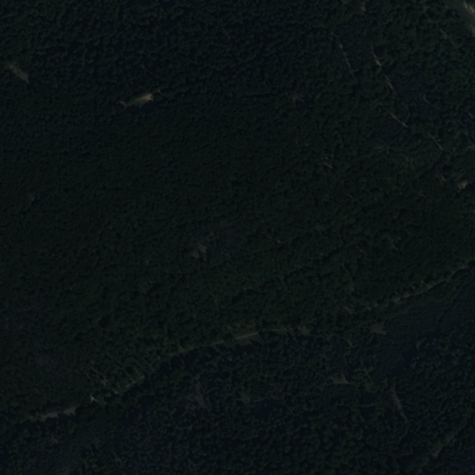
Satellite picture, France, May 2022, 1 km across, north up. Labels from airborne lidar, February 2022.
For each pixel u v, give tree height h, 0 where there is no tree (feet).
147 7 87
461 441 23
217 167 77
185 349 92
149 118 92
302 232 77
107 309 93
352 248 105
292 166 84
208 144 71
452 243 87
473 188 91
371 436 131
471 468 94
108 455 29
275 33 107
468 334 47
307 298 98
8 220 71
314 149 98
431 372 95
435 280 96
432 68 99
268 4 106
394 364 26
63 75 103
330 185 80
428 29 81
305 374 79
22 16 83
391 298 82
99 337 89
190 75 107
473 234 82
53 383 80
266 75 104
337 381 0
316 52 48
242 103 90
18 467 86
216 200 76
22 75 0
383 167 76
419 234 93
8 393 81
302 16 94
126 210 80
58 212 75
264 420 122
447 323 39
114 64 55
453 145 80
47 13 94
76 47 102
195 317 91
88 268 94
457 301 39
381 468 113
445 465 36
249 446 108
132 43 94
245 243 75
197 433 47
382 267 102
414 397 92
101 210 84
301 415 30
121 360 111
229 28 88
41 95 94
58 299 92
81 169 86
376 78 84
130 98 88
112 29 101
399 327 28
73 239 80
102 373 114
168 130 79
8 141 85
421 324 36
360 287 97
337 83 84
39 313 69
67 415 0
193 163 60
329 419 28
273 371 97
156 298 90
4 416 86
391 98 57
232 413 101
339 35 74
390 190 67
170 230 73
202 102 81
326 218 82
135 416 114
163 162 73
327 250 75
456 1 0
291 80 92
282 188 85
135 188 73
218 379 65
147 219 83
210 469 108
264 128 82
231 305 91
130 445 130
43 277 87
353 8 78
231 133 61
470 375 109
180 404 36
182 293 83
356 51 58
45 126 108
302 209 76
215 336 93
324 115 97
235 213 79
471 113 128
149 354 113
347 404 54
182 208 77
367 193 99
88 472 115
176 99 82
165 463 126
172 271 76
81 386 78
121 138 83
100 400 85
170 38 108
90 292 62
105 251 82
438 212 96
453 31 96
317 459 130
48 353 91
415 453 111
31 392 91
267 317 83
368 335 34
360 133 88
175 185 70
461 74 95
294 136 98
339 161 96
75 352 87
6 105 83
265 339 95
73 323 81
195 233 73
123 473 107
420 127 95
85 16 108
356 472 100
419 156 79
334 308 79
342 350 33
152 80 88
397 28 85
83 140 79
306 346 33
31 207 60
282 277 24
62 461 37
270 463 136
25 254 80
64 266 83
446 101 96
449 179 35
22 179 75
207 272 73
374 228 96
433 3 83
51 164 83
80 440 43
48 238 74
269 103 102
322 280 94
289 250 71
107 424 34
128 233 92
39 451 29
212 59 110
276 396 29
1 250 77
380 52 102
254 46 118
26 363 86
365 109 105
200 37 104
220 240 85
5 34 83
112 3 109
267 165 89
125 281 88
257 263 89
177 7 107
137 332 101
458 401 115
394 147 64
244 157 83
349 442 113
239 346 0
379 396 31
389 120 81
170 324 93
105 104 68
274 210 63
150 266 49
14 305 93
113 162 78
